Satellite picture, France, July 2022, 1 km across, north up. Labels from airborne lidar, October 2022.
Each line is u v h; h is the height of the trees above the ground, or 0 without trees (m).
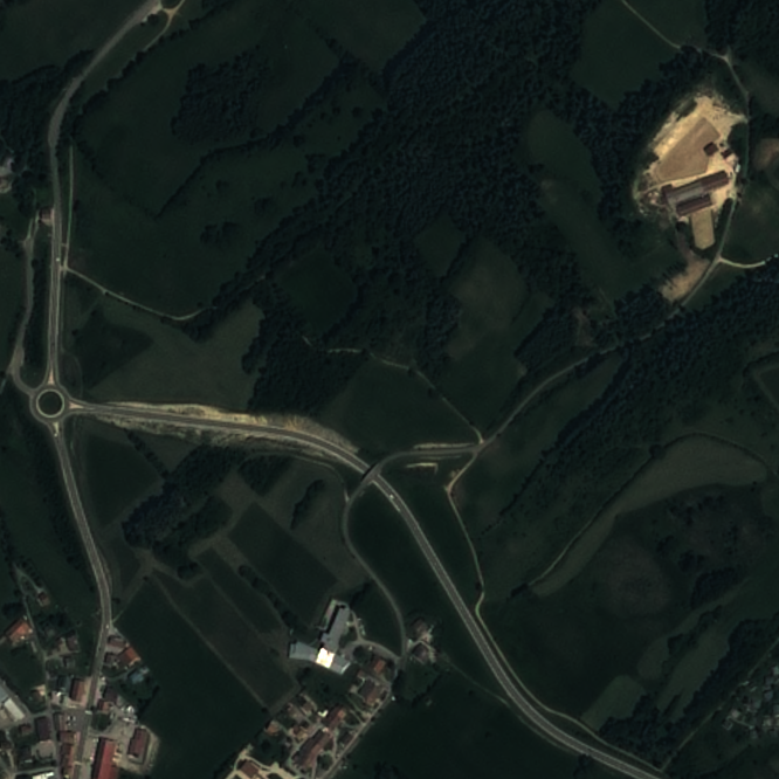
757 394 7
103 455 0
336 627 0
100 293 0
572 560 0
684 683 0
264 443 0
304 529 0
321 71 0
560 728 0
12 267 0
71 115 12
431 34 28
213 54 0
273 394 10
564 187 0
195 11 0
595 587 6
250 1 0
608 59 0
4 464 0
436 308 18
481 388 0
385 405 0
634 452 8
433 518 0
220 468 7
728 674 19
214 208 0
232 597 0
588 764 20
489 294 0
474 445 0
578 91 6
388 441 0
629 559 0
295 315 20
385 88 17
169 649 0
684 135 0
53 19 0
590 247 0
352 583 0
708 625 8
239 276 7
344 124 0
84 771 0
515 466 0
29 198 23
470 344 0
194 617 0
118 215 0
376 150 9
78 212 10
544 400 6
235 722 0
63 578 0
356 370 6
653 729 24
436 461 0
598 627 0
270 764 0
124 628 0
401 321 7
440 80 31
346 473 0
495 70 17
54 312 0
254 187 0
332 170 14
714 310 7
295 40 0
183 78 0
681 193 0
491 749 0
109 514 0
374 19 0
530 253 19
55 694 0
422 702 12
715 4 21
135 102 0
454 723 0
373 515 0
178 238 0
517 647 0
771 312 13
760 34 7
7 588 0
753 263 0
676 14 0
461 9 38
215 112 16
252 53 6
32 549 0
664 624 0
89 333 0
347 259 22
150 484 0
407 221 22
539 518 0
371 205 21
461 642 0
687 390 6
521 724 0
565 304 18
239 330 0
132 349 0
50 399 0
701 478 0
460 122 18
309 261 0
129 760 0
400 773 25
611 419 14
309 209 11
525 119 7
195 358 0
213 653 0
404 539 0
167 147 0
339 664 0
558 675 0
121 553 0
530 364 18
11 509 0
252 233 0
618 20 0
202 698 0
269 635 0
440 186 21
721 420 0
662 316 16
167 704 0
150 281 0
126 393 0
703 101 0
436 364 8
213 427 0
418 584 0
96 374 0
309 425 0
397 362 0
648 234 0
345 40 0
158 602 0
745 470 0
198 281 0
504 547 0
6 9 9
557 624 0
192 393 0
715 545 8
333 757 0
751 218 0
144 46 0
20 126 26
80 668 0
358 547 0
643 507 0
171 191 0
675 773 6
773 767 0
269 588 5
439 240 0
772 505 0
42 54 0
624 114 7
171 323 10
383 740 0
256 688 0
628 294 0
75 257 0
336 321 0
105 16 0
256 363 6
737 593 0
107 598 0
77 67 19
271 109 0
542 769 0
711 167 0
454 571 0
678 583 0
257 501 0
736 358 6
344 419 0
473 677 0
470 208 14
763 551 0
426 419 0
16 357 0
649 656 0
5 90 20
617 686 0
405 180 18
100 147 0
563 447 8
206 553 0
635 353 18
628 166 21
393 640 0
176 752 0
